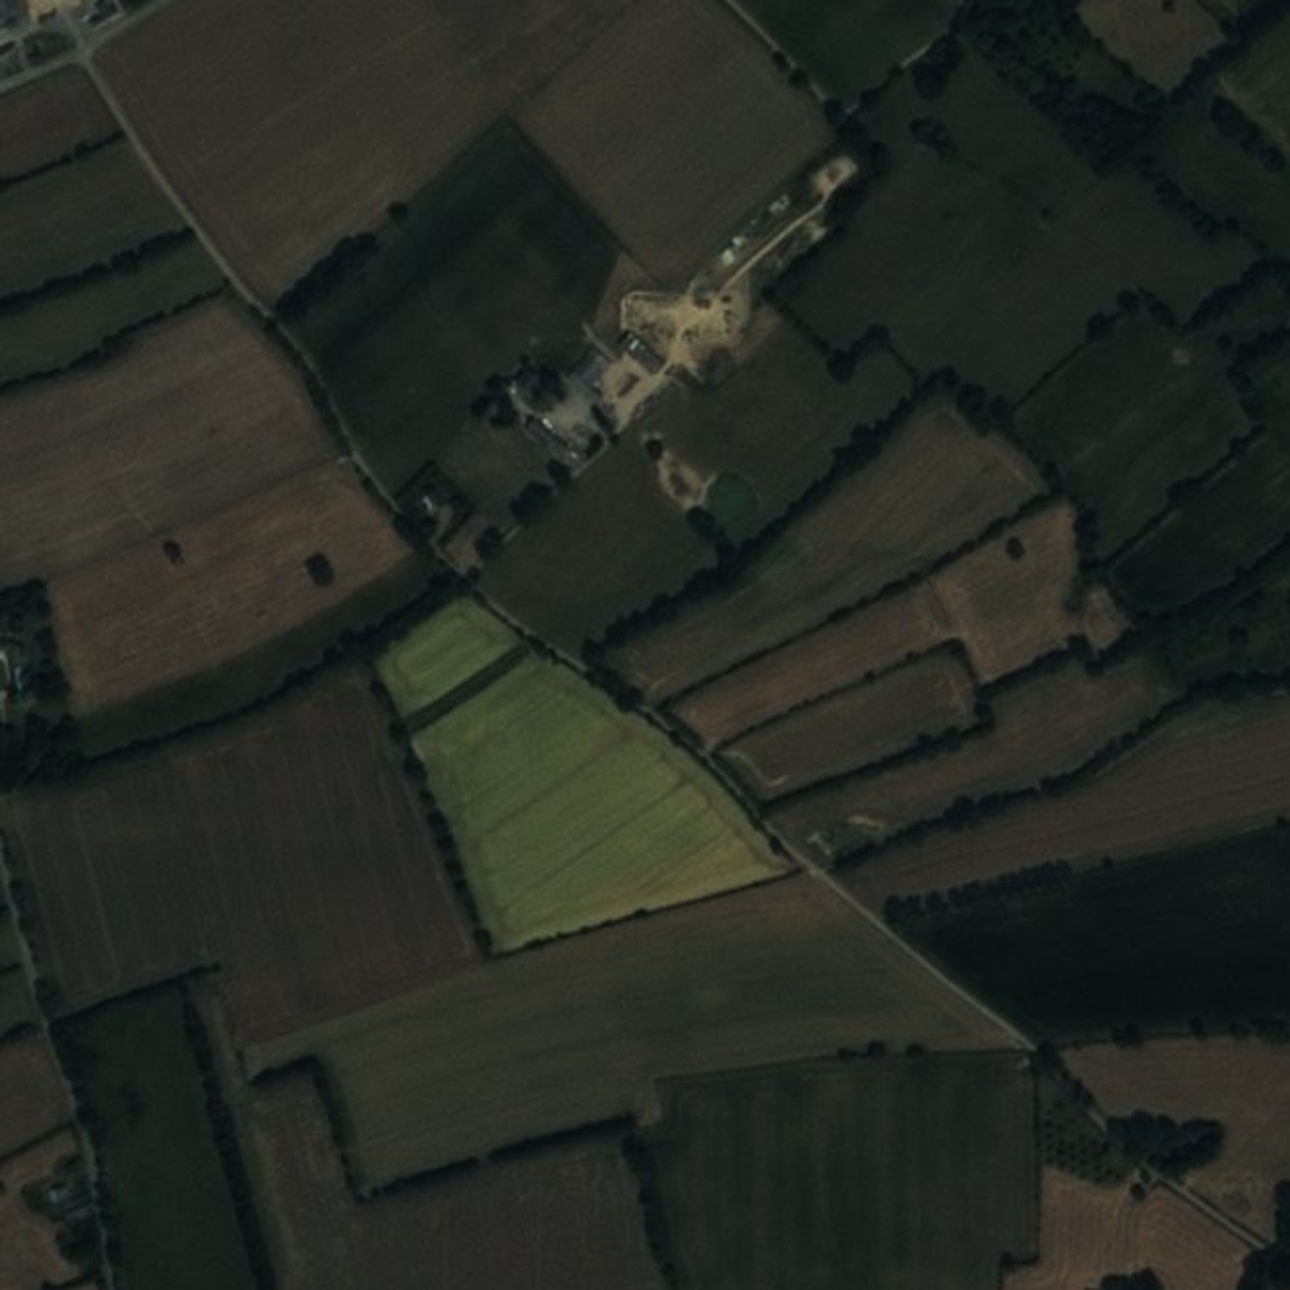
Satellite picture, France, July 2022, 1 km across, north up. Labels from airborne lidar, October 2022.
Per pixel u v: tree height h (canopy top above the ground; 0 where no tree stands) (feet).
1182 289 0
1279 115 0
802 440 0
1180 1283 0
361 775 0
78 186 0
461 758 0
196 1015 37
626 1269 0
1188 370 0
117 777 0
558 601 0
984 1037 0
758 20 0
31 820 0
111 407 0
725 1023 0
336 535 0
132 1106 0
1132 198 0
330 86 0
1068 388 0
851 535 0
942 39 22
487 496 0
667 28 0
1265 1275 88
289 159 0
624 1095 0
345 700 0
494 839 0
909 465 0
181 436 0
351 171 0
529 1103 0
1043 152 0
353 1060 0
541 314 0
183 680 0
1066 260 0
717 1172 0
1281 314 0
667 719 23
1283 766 0
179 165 0
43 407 0
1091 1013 0
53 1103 0
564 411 0
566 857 0
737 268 0
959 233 0
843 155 0
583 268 0
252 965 0
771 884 0
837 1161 0
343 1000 0
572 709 0
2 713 0
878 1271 0
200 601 0
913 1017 0
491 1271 0
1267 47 0
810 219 0
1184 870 0
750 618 0
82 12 0
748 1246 0
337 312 0
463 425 0
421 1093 0
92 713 0
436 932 0
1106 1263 0
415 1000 0
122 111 0
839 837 0
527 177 0
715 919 0
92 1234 26
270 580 0
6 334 0
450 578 47
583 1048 0
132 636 0
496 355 0
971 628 0
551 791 0
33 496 0
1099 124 41
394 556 0
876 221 0
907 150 0
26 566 0
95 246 0
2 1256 0
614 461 0
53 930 0
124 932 0
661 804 0
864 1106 0
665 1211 0
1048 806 0
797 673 0
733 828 0
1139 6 0
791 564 0
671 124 0
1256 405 55
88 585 0
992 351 0
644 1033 0
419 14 0
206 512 0
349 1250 0
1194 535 0
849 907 0
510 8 0
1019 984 0
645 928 0
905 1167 0
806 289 0
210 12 0
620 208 0
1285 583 0
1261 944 0
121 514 0
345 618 0
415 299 0
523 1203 0
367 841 0
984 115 0
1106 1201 0
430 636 0
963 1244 0
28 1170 0
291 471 0
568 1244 0
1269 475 0
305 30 0
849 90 0
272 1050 0
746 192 0
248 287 0
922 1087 0
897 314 0
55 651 33
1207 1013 0
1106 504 0
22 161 0
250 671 0
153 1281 0
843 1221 0
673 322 0
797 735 0
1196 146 0
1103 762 37
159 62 0
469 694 0
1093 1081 0
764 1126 0
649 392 0
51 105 0
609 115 0
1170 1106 0
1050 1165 18
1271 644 0
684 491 0
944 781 0
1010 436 21
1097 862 0
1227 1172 0
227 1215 0
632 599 0
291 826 0
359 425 0
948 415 0
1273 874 0
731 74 0
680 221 0
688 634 0
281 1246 0
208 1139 0
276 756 0
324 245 0
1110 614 0
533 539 0
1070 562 0
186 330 0
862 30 0
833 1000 0
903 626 0
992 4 36
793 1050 0
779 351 0
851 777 20
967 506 0
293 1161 0
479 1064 0
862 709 0
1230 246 0
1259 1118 0
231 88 0
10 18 0
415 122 0
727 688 0
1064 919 0
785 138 0
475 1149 0
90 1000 0
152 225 0
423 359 0
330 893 0
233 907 0
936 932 0
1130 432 0
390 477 0
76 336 0
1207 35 0
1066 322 0
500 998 0
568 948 0
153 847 0
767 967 0
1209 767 0
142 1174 0
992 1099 0
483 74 0
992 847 0
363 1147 0
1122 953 0
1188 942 0
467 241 0
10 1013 0
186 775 0
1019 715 0
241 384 0
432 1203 0
